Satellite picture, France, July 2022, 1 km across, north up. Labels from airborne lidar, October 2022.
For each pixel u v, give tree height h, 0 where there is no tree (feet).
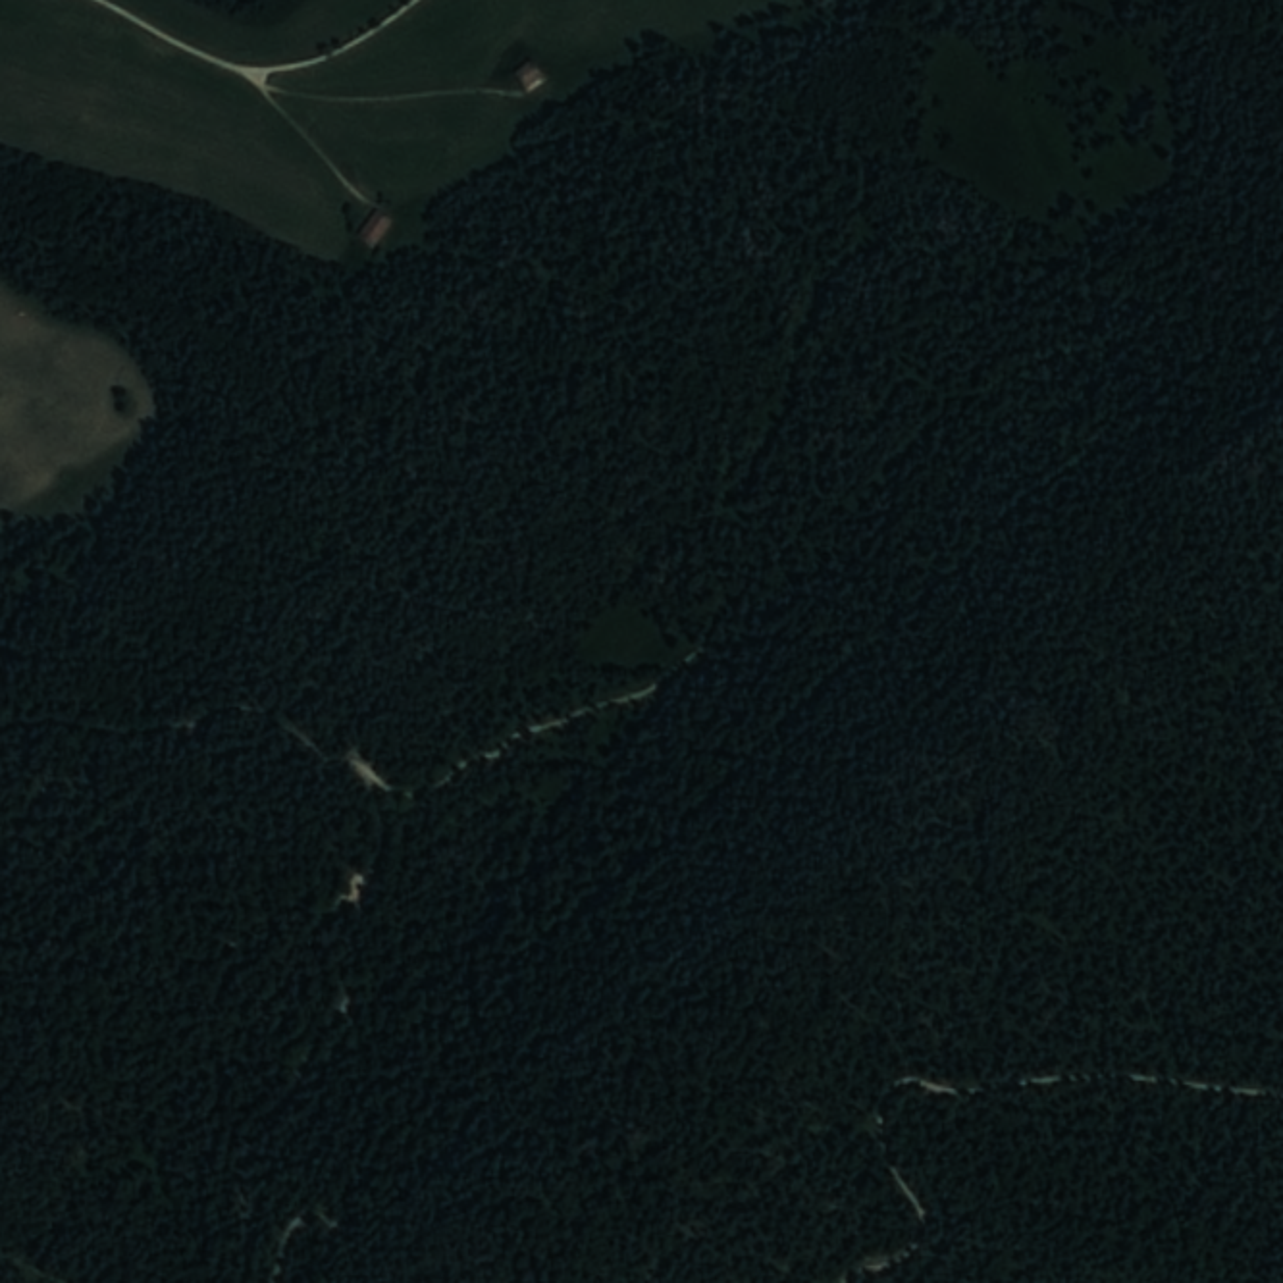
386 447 90
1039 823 57
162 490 88
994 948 48
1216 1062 44
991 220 52
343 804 92
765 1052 57
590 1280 50
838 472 71
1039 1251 27
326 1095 61
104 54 0
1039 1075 61
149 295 82
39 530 56
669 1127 72
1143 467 73
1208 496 48
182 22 0
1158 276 78
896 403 44
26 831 84
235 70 0
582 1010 84
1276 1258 71
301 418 90
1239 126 76
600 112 86
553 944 97
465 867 60
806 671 80
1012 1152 47
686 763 78
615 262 73
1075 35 0
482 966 65
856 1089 28
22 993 95
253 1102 18
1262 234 60
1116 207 0
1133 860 39
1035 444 45
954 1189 48
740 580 79
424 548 41
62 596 90
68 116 0
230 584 73
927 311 100
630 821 90
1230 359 68
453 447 60
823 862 74
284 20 0
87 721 57
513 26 0
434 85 0
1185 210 77
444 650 61
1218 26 58
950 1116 74
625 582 57
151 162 0
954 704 33
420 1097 91
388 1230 71
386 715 96
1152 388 84
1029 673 56
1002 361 91
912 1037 75
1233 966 24
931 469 78
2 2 0
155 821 93
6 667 95
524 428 45
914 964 68
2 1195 82
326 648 90
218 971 67
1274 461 44
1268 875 24
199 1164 56
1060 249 78
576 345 72
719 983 68
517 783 79
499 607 65
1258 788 64
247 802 61
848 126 73
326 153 0
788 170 30
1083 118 22
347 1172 58
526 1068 91
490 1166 65
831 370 95
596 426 80
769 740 56
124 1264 30
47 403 0
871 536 64
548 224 33
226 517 64
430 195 0
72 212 54
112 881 38
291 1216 33
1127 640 77
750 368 59
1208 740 69
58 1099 65
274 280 55
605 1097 89
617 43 0
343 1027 80
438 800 67
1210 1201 65
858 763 67
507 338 51
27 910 94
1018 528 62
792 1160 56
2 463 0
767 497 75
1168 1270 37
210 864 54
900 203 70
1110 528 61
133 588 87
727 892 59
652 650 0
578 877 93
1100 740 77
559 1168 76
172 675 82
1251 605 60
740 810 72
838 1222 21
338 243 0
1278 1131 69
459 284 81
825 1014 63
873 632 80
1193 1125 76
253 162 0
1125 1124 62
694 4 0
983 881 65
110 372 0
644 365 69
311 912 53
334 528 85
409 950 99
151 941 87
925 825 70
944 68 0
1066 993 58
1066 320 78
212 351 80
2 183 60
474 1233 64
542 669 43
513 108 0
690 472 66
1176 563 77
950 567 74
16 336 0
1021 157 0
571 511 81
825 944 55
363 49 0
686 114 41
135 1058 62
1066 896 57
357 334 70
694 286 59
